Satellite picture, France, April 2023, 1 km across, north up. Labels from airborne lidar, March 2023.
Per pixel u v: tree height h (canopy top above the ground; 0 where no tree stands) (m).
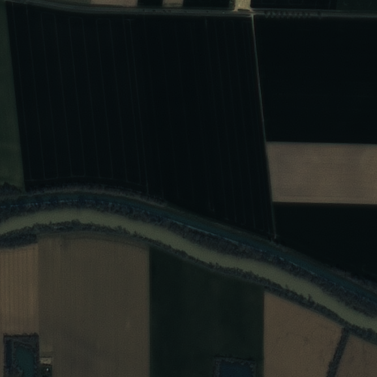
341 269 17
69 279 0
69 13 0
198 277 0
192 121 0
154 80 0
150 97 0
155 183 0
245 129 0
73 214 0
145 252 0
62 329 0
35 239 12
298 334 0
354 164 0
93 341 0
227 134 0
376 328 0
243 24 0
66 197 0
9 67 0
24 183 0
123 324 0
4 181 0
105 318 0
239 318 0
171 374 0
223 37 0
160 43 0
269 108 0
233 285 0
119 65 0
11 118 0
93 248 0
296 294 16
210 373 0
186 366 0
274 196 0
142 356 0
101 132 0
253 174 0
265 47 0
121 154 0
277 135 0
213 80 0
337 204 0
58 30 0
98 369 0
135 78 0
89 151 0
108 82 0
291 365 0
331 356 0
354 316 0
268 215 0
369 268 0
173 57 0
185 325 0
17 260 0
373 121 0
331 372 7
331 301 0
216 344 0
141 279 0
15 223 0
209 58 0
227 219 0
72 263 0
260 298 0
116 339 0
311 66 0
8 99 0
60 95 0
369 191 0
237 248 14
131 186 0
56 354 0
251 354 0
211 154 0
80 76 0
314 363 0
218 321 0
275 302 0
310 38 0
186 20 0
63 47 0
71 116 0
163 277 0
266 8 0
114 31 0
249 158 0
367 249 0
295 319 0
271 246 0
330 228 0
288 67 0
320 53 0
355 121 0
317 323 0
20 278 0
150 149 0
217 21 0
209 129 0
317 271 0
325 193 0
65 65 0
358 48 0
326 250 0
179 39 0
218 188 0
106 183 0
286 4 0
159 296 0
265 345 0
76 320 0
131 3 0
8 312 0
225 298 0
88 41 0
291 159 0
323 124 0
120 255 0
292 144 0
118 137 0
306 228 0
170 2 0
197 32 0
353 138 0
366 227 0
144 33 0
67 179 0
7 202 0
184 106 0
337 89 0
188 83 0
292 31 0
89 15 0
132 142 0
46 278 0
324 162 0
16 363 6
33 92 0
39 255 0
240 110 0
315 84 0
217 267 9
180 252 9
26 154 0
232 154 0
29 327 0
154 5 0
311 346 0
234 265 0
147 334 0
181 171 0
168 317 0
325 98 0
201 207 0
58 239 0
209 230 0
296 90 0
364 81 0
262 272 0
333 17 0
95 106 0
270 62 0
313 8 0
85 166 0
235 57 0
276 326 0
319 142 0
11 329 0
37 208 14
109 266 0
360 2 0
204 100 0
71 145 0
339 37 0
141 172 0
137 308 0
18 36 0
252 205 0
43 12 0
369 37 0
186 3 0
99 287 0
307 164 0
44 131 0
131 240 0
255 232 0
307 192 0
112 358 0
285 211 0
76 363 0
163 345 0
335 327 0
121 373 0
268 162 0
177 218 0
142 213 14
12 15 0
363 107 0
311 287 0
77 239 0
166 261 0
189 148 0
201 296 0
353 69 0
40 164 0
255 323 0
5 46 0
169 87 0
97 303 0
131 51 0
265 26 0
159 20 0
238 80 0
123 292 0
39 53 0
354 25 0
